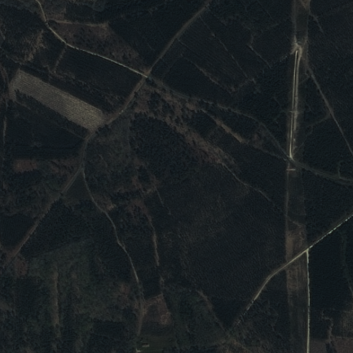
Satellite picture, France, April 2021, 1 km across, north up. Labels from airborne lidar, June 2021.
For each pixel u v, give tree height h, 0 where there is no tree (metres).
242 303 10
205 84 10
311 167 10
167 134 20
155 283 10
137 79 9
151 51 9
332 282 11
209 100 10
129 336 19
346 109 11
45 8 15
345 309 7
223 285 9
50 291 20
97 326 10
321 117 14
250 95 9
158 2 12
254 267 8
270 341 11
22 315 9
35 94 0
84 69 11
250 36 13
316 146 11
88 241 22
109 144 9
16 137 8
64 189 0
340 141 10
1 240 7
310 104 10
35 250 17
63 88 8
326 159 10
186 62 9
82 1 6
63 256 18
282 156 8
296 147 0
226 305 9
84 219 16
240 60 11
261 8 15
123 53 10
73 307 18
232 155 11
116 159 16
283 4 8
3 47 12
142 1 10
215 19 14
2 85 10
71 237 19
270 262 7
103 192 14
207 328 21
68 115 0
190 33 10
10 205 12
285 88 15
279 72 16
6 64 8
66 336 19
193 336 11
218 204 7
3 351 13
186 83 11
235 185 9
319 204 12
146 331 5
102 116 0
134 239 12
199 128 18
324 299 11
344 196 10
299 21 0
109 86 7
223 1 18
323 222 13
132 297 8
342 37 9
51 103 0
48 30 10
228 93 11
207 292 11
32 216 10
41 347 19
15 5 6
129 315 26
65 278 20
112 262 19
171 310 16
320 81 11
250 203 11
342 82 12
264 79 18
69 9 8
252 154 11
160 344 0
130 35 10
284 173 10
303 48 0
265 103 19
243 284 10
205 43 10
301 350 0
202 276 9
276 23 9
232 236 7
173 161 14
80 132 13
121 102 9
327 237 11
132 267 17
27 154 13
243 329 14
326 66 10
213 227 8
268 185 11
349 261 13
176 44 8
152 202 7
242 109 18
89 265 22
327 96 11
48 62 8
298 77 0
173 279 7
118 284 16
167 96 0
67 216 20
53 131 7
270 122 18
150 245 12
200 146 7
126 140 13
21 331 16
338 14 9
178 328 16
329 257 11
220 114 8
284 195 11
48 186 19
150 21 15
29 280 7
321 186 11
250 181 11
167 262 8
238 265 9
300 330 0
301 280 0
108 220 17
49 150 15
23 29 8
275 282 7
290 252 0
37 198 20
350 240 12
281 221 12
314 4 10
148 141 14
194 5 13
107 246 18
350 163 11
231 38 12
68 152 12
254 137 12
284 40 10
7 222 9
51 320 20
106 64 8
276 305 9
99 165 9
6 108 9
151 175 13
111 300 20
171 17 11
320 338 10
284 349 12
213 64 10
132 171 18
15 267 17
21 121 7
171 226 7
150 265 12
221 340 16
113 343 10
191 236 8
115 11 11
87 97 10
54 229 19
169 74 10
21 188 19
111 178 13
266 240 9
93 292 22
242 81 9
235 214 10
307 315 0
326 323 9
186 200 7
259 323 16
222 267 9
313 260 10
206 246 8
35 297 8
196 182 7
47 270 19
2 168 7
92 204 15
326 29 10
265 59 11
